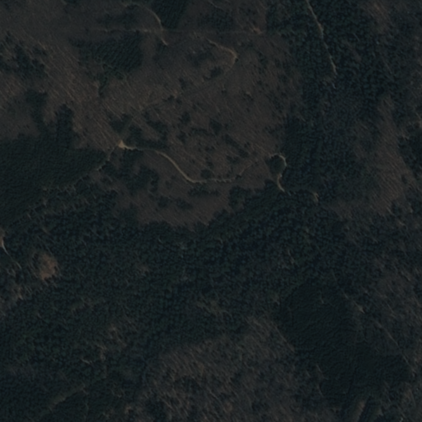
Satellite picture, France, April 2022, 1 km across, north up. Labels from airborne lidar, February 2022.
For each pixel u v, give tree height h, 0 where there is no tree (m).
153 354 26
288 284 29
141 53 18
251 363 26
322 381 14
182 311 26
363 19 17
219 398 11
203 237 20
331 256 21
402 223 28
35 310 27
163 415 12
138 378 9
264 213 22
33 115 15
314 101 27
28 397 37
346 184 28
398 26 20
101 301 27
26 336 33
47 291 34
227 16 8
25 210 9
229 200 13
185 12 18
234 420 23
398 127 23
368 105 27
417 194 28
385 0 33
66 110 22
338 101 31
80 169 17
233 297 29
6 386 32
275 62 17
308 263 16
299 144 19
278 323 8
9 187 19
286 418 28
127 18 21
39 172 16
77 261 27
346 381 14
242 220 25
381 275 25
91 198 25
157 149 15
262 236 29
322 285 16
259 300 26
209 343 25
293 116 23
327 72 25
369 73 23
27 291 24
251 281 10
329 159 35
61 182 16
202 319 29
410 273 24
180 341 27
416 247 26
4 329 31
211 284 11
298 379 24
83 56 16
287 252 28
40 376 22
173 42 18
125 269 31
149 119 14
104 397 16
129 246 34
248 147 16
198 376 24
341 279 23
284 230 28
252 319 30
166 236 21
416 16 25
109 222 23
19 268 13
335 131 30
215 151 18
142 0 15
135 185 17
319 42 32
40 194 18
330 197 33
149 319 29
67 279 34
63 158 13
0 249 14
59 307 37
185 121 17
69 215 23
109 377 6
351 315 17
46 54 14
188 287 9
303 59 32
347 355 17
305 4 37
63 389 31
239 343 26
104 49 18
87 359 13
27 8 17
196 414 13
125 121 22
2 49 16
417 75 23
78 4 30
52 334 9
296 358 15
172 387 9
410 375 21
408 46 26
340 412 7
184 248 24
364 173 30
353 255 30
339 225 10
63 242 36
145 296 24
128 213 17
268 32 19
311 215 31
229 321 25
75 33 16
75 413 13
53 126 17
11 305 30
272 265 24
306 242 41
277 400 26
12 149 12
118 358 27
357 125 28
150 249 39
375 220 20
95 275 28
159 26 19
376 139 30
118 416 12
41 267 30
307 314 14
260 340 28
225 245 9
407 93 10
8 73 18
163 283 27
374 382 21
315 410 15
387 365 18
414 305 25
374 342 12
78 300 22
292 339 13
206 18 11
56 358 33
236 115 16
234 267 23
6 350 37
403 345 25
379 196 22
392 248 22
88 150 13
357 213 22
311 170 30
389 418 32
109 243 32
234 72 14
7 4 17
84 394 10
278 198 31
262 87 18
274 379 26
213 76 16
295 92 19
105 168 12
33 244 35
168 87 16
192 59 18
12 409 32
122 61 16
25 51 16
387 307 23
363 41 30
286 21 15
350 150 30
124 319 24
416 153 21
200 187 8
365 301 15
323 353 17
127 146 10
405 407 23
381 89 15
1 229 18
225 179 10
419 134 23
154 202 17
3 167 11
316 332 14
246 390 28
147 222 13
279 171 18
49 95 16
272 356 20
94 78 9
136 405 25
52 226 33
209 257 28
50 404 37
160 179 14
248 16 14
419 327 29
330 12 31
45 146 14
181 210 18
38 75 15
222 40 10
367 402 22
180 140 16
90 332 26
